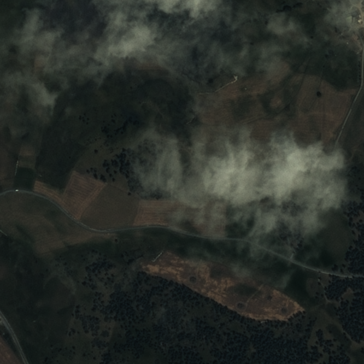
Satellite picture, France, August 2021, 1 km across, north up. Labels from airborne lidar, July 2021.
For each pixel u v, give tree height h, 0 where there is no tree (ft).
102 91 0
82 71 0
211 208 0
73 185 0
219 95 0
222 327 22
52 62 0
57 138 0
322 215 0
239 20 0
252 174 0
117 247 0
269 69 0
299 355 55
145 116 0
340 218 0
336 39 0
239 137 0
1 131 0
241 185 0
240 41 0
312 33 0
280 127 0
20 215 0
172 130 0
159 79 0
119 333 0
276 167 0
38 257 0
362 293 39
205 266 0
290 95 0
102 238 0
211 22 0
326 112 0
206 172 0
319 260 0
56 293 0
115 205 0
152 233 0
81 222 0
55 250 0
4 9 0
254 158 0
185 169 0
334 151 0
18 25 0
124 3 0
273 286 0
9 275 0
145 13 0
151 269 0
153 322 0
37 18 0
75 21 0
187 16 0
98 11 0
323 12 0
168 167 0
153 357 0
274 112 0
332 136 0
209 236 0
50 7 0
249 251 0
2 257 0
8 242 0
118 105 0
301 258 0
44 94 0
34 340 0
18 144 0
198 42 0
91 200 0
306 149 0
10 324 0
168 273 0
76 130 0
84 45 0
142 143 0
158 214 0
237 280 0
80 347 0
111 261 0
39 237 0
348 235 0
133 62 0
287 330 0
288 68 0
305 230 0
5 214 0
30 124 0
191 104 0
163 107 0
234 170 0
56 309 0
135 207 0
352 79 0
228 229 0
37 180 0
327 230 0
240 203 0
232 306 0
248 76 0
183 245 0
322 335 29
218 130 0
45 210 0
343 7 0
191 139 0
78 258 0
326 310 0
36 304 0
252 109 0
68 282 0
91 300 0
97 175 28
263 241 0
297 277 0
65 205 0
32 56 0
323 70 0
